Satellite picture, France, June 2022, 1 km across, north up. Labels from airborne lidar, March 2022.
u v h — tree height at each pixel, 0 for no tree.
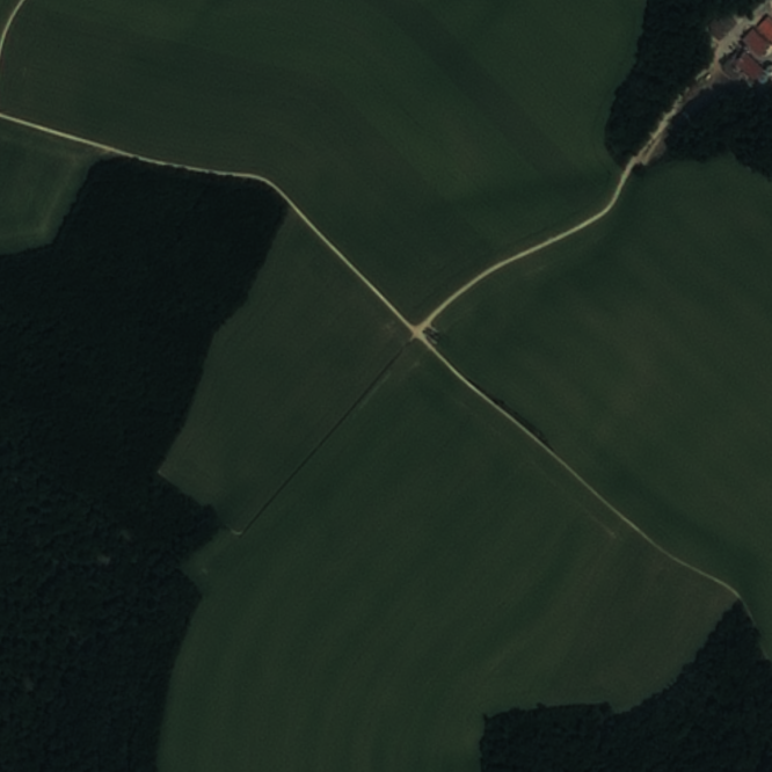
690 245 0
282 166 0
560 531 0
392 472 0
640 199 0
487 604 0
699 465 0
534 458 0
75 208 7
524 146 0
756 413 0
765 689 18
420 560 0
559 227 0
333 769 0
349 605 0
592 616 0
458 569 0
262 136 0
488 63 0
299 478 0
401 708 0
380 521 0
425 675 0
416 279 0
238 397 0
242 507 0
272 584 0
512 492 0
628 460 0
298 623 0
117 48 0
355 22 0
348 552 0
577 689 0
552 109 0
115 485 12
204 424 0
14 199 0
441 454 0
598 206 0
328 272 0
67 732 20
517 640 0
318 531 0
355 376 0
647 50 20
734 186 0
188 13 0
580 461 0
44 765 22
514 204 0
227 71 0
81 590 20
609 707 15
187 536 22
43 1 0
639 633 0
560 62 0
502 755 20
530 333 0
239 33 0
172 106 0
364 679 0
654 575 0
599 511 0
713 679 23
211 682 0
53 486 13
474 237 0
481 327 0
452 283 0
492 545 0
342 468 0
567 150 0
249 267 11
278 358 0
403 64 0
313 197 0
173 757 0
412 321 0
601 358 0
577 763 24
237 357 0
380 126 0
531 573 0
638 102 19
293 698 0
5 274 11
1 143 0
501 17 0
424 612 0
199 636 0
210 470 0
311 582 0
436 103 0
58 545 17
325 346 0
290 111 0
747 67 0
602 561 0
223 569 0
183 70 0
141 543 15
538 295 0
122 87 0
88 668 27
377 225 0
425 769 0
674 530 0
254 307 0
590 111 0
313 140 0
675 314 0
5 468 18
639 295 0
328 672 0
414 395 0
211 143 0
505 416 0
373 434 0
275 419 0
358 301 0
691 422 0
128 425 9
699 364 0
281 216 11
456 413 0
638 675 0
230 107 0
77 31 0
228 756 0
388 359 0
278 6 0
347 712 0
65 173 0
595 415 0
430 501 0
